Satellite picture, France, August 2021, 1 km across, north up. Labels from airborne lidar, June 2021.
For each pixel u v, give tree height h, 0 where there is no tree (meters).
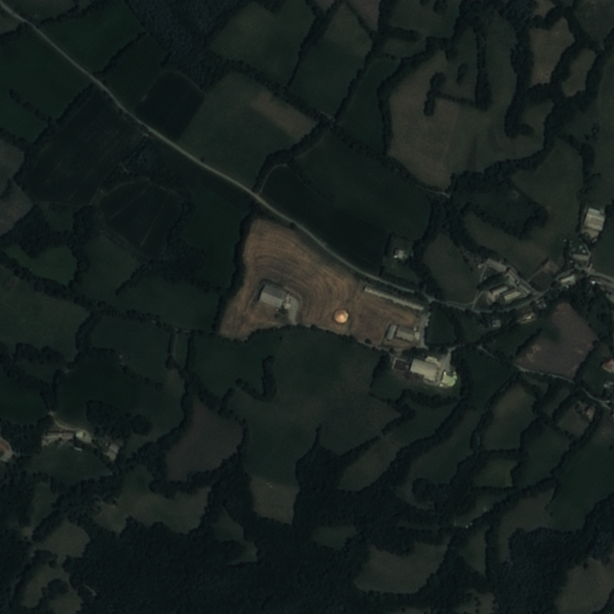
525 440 14
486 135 0
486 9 17
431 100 12
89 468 0
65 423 0
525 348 11
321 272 0
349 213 0
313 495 16
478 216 9
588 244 8
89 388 0
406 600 12
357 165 0
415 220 0
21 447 17
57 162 0
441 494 18
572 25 13
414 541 16
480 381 0
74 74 0
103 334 0
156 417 0
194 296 0
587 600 0
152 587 15
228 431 0
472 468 13
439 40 8
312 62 0
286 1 9
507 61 0
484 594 8
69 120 8
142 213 0
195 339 14
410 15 0
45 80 0
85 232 15
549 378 12
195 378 14
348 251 0
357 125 0
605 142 0
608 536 14
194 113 0
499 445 0
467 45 0
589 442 9
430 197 6
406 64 14
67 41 0
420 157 0
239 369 0
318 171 0
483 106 11
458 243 15
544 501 0
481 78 11
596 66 13
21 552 19
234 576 22
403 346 0
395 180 0
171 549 17
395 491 11
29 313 0
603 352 0
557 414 12
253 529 20
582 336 0
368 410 0
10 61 0
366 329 0
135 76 0
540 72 0
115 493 16
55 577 0
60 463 0
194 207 12
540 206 8
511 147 0
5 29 0
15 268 18
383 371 13
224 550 17
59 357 16
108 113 0
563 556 26
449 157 0
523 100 18
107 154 0
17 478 19
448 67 0
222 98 0
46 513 0
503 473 0
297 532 17
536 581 15
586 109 14
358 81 11
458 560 19
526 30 15
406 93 0
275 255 0
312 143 13
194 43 17
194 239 0
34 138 0
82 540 0
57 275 0
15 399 0
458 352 12
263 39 0
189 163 0
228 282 0
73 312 0
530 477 0
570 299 6
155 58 0
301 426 0
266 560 20
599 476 0
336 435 0
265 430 0
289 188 0
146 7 17
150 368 0
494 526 17
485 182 15
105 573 19
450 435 15
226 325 0
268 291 0
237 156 0
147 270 10
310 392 0
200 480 16
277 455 0
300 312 0
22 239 13
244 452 14
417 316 0
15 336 0
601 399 10
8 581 22
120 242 0
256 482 0
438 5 11
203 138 0
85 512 15
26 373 12
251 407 0
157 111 0
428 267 13
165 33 15
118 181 10
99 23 0
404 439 0
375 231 0
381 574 0
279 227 0
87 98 12
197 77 14
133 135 0
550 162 0
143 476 0
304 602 15
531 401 0
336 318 0
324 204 0
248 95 0
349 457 12
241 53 0
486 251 13
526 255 0
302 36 0
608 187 0
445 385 0
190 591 21
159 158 10
